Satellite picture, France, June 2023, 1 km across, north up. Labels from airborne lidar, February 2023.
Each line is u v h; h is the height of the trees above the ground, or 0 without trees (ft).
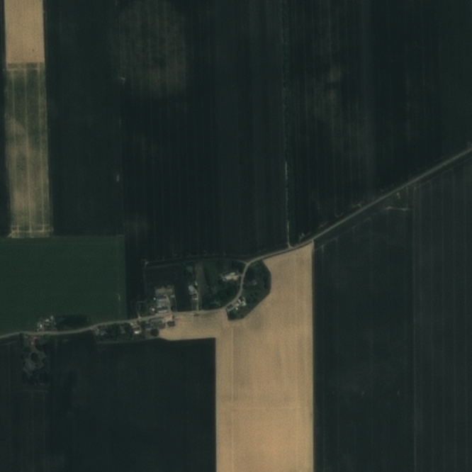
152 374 0
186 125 0
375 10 0
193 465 0
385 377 0
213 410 0
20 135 0
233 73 0
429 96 0
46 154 0
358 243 0
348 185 0
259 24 0
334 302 0
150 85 0
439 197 0
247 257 0
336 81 0
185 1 0
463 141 0
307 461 0
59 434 0
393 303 0
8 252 0
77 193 0
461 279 0
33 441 0
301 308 0
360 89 0
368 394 0
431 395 0
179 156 0
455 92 0
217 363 0
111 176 0
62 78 0
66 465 0
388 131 0
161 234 0
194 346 0
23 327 0
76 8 0
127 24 0
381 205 0
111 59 0
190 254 0
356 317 0
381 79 0
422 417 0
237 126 0
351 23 0
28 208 0
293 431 0
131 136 0
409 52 0
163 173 0
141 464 0
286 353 0
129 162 0
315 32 0
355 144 0
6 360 0
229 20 0
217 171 0
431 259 0
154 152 0
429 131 0
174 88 0
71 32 0
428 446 0
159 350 0
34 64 0
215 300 21
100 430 0
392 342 0
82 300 0
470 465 0
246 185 0
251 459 0
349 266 0
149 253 0
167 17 0
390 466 0
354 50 0
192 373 0
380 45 0
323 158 0
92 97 0
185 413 0
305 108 0
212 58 0
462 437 0
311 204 0
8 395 0
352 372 0
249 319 0
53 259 0
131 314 0
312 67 0
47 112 0
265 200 0
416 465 0
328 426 0
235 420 0
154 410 0
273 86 0
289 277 0
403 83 0
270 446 0
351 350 0
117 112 0
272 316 0
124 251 0
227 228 0
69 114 0
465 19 0
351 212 0
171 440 0
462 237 0
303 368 0
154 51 0
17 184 0
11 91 0
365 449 0
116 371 0
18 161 0
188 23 0
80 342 0
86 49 0
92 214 0
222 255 0
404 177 0
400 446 0
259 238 0
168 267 0
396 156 0
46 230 0
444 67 0
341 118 0
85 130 0
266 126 0
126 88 0
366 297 0
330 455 0
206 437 0
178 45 0
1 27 0
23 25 0
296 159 0
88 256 0
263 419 0
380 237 0
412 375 0
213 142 0
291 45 0
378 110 0
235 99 0
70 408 0
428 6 0
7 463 0
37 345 19
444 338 0
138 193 0
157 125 0
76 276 0
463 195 0
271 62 0
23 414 0
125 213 0
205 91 0
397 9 0
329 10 0
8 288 0
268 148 0
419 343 0
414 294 0
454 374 0
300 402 0
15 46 0
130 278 0
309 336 0
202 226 0
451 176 0
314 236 0
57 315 0
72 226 0
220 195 0
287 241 0
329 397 0
